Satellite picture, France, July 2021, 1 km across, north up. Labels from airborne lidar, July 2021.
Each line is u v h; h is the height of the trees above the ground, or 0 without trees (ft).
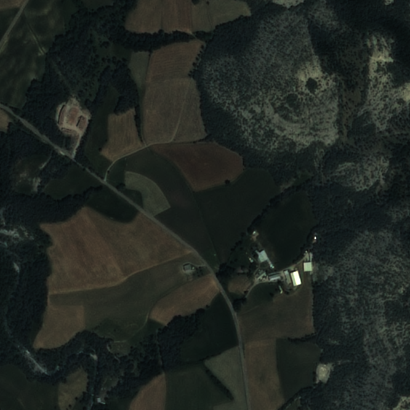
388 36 19
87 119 0
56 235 0
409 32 42
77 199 59
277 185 28
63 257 0
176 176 0
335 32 20
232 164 0
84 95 39
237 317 0
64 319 0
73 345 59
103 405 69
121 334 0
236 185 0
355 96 0
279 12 19
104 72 47
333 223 39
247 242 0
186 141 0
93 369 62
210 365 0
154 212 0
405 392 27
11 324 67
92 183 0
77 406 0
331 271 0
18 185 0
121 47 0
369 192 26
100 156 0
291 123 0
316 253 38
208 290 0
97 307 0
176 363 68
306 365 0
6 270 31
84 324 0
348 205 35
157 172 0
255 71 0
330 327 23
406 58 36
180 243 0
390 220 18
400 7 21
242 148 26
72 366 67
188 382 0
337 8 29
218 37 30
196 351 0
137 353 59
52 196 48
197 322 46
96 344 48
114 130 0
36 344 0
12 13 0
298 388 0
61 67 37
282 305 0
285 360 0
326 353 31
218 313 0
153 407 0
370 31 21
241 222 0
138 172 0
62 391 0
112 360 52
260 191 0
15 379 0
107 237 0
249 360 0
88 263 0
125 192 0
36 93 38
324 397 25
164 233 0
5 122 0
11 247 23
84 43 39
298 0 0
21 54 0
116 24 50
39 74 0
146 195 0
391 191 28
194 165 0
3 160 60
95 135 0
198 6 0
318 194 40
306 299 0
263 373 0
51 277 0
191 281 0
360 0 36
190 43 0
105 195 0
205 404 0
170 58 0
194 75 28
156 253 0
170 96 0
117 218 0
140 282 0
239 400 0
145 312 0
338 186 26
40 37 0
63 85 31
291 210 0
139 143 0
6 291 60
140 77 0
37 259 51
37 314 59
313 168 25
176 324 59
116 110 46
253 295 0
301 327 0
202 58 24
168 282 0
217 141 24
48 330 0
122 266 0
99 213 0
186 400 0
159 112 0
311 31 22
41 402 0
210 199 0
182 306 0
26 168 0
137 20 0
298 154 21
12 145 40
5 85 0
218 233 0
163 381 0
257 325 0
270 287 0
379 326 0
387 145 33
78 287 0
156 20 0
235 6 0
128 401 0
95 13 60
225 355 0
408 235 20
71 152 0
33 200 51
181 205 0
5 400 0
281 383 0
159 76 0
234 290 0
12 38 0
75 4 17
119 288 0
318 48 26
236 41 34
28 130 25
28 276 62
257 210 0
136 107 42
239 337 0
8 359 45
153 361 44
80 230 0
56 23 0
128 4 44
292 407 0
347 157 25
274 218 0
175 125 0
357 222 25
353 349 17
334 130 0
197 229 0
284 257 0
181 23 0
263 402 0
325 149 20
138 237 0
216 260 0
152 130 0
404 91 0
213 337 0
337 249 23
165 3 0
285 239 0
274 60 0
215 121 27
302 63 0
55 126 45
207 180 0
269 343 0
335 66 30
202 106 29
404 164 23
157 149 0
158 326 0
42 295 52
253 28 26
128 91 66
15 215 33
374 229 20
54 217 52
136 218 0
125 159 0
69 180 0
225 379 0
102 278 0
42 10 0
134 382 58
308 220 0
